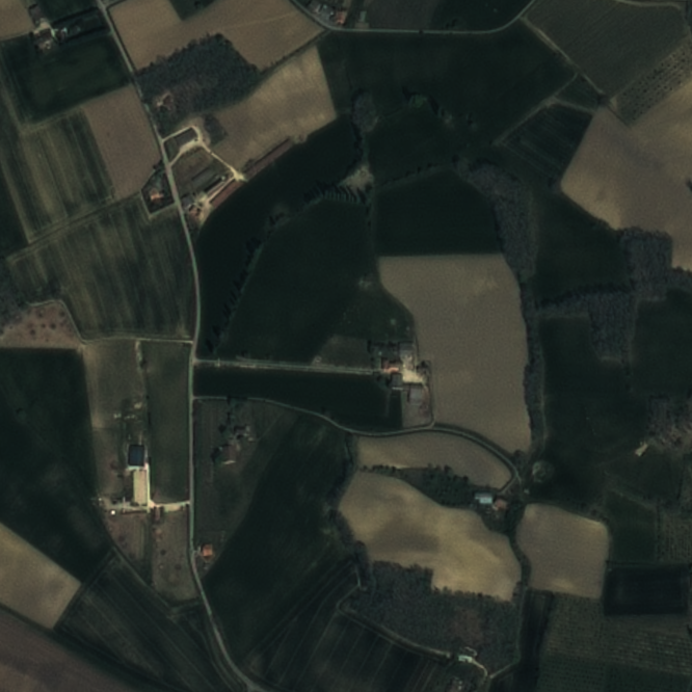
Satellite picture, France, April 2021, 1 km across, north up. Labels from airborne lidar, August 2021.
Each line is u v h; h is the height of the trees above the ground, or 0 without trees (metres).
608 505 0
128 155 0
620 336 19
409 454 0
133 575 0
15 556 0
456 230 0
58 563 0
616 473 0
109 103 0
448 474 9
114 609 0
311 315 0
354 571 0
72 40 8
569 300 16
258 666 0
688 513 6
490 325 0
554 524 0
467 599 15
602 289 0
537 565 0
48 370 0
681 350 0
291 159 0
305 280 0
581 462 0
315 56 0
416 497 0
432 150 0
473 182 17
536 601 0
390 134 0
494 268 0
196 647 0
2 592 0
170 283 0
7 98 0
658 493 0
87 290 0
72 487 0
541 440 13
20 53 0
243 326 0
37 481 0
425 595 17
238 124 0
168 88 20
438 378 0
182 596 0
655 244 20
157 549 0
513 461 7
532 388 20
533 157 0
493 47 0
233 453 0
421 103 8
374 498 0
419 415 0
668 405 15
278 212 0
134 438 0
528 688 0
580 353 0
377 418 0
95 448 0
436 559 0
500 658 18
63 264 0
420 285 0
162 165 8
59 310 0
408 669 0
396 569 17
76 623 0
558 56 8
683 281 16
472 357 0
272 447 0
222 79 20
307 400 0
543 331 0
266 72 12
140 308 0
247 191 0
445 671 0
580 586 0
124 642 0
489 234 0
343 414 0
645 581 0
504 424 0
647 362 0
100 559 0
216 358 0
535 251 17
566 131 0
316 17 0
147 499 0
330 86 0
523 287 12
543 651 16
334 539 0
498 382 0
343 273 0
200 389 0
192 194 0
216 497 0
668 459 0
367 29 0
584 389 0
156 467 0
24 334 0
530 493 0
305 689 0
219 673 0
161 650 0
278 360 0
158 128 16
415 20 0
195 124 0
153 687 0
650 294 20
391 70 0
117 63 0
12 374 0
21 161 0
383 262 0
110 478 0
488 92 0
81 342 0
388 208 0
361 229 0
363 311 0
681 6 0
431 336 0
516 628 21
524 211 21
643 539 0
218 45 18
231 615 0
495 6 0
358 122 21
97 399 0
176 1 0
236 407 6
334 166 0
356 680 0
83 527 0
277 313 0
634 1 0
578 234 0
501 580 0
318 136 0
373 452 0
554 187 15
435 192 0
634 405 0
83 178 0
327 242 0
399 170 0
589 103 0
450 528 0
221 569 0
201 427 0
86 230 0
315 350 0
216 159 0
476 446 0
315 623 0
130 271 0
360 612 12
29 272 0
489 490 8
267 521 0
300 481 0
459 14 0
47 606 0
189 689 0
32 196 0
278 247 0
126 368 0
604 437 0
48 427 0
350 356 0
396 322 0
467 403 0
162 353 0
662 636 0
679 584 0
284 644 0
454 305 0
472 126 11
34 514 0
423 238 0
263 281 0
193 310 0
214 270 0
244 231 0
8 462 0
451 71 0
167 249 0
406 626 19
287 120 0
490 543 0
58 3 0
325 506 0
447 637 8
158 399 0
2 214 0
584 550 0
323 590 0
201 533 0
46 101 0
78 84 0
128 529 0
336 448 0
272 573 0
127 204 0
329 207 0
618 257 0
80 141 0
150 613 0
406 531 0
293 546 0
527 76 0
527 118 0
